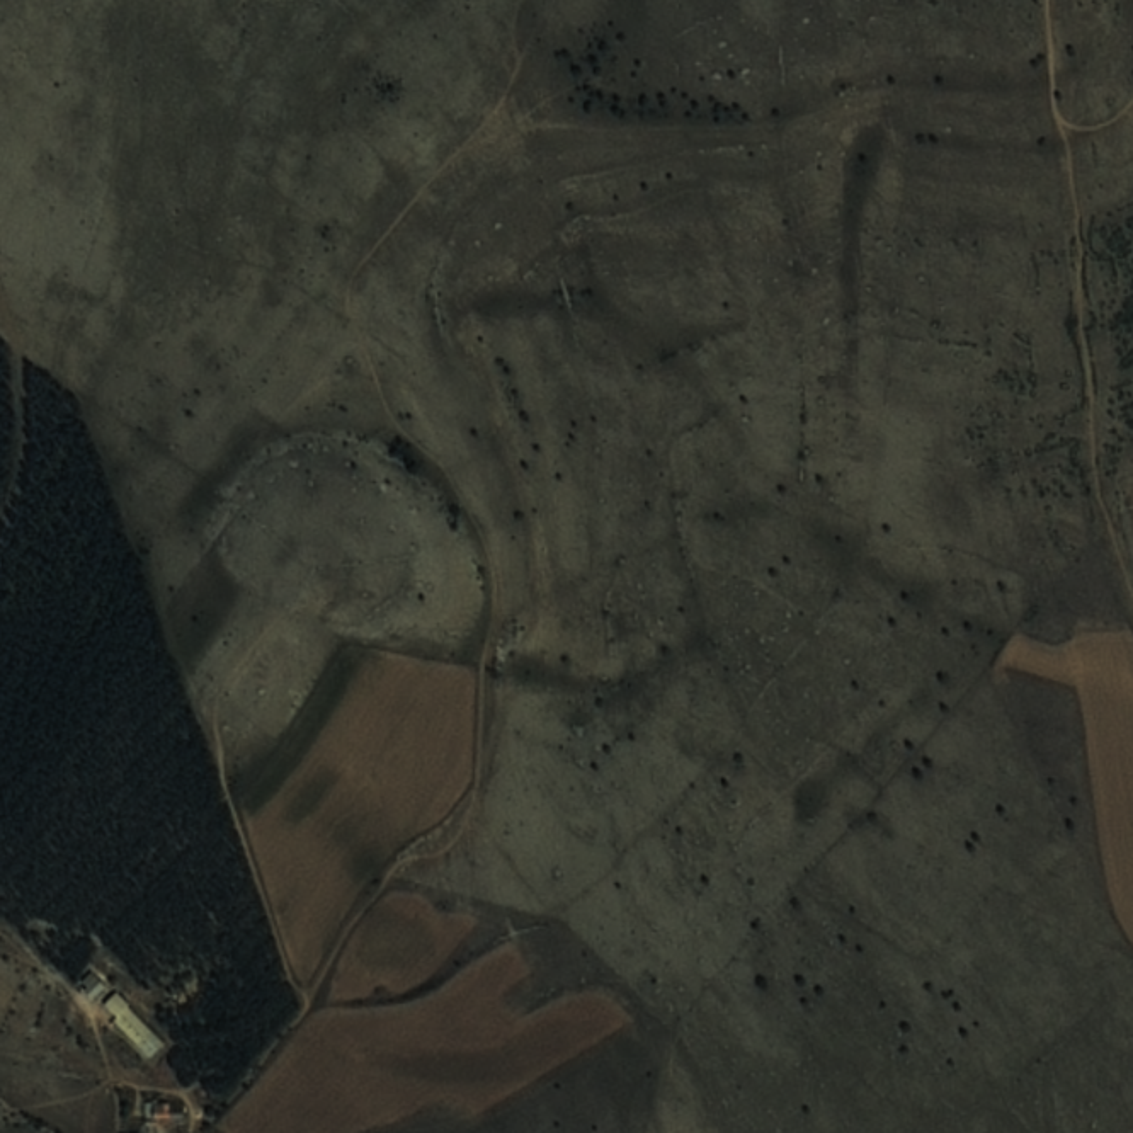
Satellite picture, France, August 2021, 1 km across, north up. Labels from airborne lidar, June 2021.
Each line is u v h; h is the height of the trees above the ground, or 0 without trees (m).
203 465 0
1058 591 0
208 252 0
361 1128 0
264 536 0
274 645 0
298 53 0
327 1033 0
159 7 0
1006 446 0
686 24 0
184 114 0
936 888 0
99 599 15
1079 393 0
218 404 0
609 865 0
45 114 0
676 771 0
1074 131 0
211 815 12
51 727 13
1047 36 0
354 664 0
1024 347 0
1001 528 0
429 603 0
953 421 0
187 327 0
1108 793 0
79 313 0
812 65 0
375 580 0
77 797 11
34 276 0
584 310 0
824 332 0
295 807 0
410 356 0
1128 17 0
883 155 0
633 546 0
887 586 0
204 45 0
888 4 0
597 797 0
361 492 0
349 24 0
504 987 0
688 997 0
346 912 0
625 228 0
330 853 0
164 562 0
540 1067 0
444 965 0
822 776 0
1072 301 0
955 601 0
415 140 0
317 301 0
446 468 0
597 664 0
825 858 0
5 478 14
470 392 0
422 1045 0
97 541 14
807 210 0
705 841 0
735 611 0
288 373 0
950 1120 0
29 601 15
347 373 0
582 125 0
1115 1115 0
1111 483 0
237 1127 0
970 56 0
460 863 0
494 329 0
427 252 0
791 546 0
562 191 0
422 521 0
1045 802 0
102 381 0
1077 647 0
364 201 0
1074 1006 0
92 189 0
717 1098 0
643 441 0
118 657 13
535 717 0
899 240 0
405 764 0
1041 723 0
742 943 0
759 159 0
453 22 0
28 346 0
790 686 0
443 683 0
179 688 11
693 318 0
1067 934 0
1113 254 0
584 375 0
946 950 0
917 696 0
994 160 0
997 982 0
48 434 14
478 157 0
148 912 12
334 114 0
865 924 0
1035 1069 0
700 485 0
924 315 0
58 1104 0
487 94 0
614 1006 0
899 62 0
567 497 0
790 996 0
